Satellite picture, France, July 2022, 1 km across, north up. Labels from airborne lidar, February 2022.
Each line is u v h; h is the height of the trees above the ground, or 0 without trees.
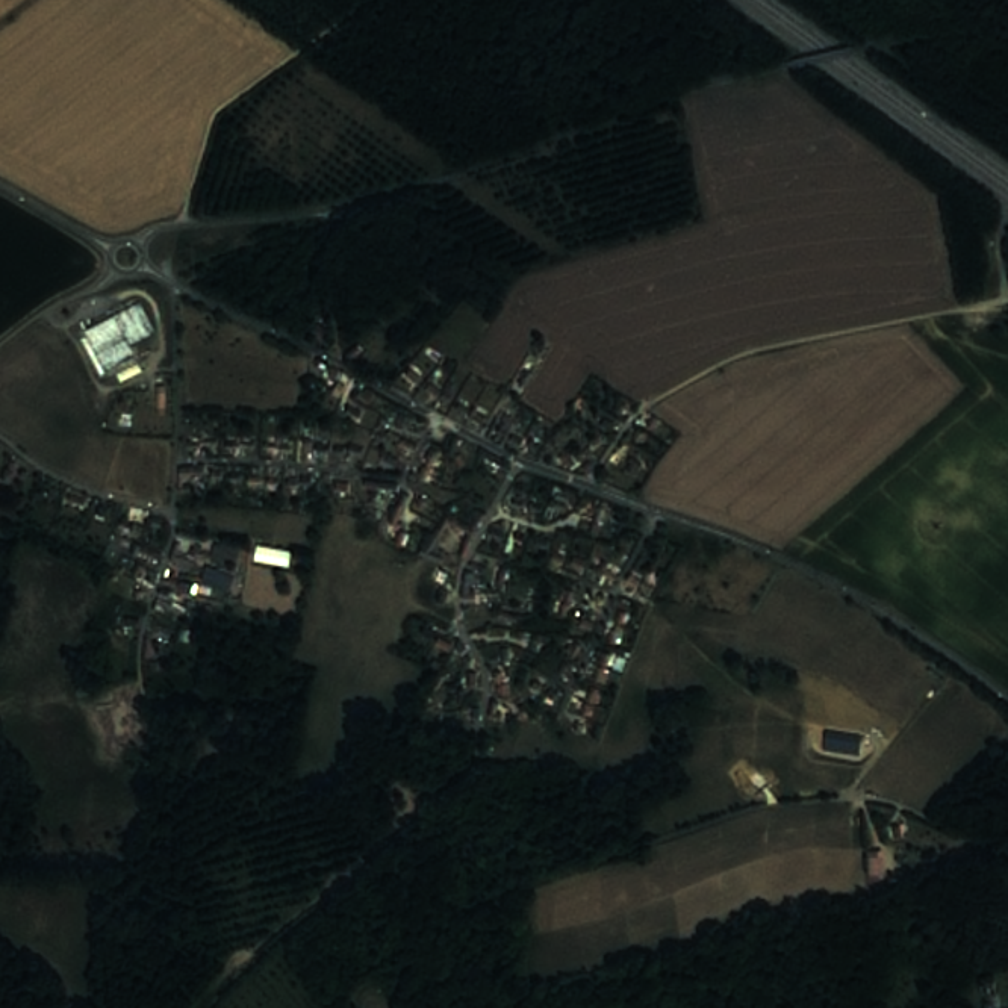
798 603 0
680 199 6
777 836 0
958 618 0
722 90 0
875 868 0
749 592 0
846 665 0
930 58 17
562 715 0
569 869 16
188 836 17
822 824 0
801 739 0
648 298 0
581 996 20
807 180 0
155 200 0
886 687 0
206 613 15
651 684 0
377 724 31
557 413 0
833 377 0
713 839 0
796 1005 21
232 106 0
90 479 0
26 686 0
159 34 0
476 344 0
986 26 21
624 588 0
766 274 0
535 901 13
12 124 0
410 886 19
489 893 11
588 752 0
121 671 0
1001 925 24
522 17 22
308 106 0
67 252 0
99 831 0
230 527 0
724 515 0
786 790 0
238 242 0
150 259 0
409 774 7
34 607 0
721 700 0
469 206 11
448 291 20
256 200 11
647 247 0
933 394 0
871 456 0
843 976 9
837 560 0
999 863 29
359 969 12
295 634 19
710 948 18
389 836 16
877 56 16
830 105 13
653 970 23
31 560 0
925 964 9
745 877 0
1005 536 0
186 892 18
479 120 15
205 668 19
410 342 12
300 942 18
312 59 12
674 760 10
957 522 0
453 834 19
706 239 0
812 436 0
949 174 11
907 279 0
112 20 0
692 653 0
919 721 0
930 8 24
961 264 11
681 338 0
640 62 26
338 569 0
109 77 0
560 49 25
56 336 0
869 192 0
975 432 0
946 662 14
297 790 11
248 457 0
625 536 8
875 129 11
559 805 22
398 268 25
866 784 0
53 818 0
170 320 0
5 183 0
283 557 0
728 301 0
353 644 0
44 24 0
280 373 0
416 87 13
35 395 0
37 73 0
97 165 0
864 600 0
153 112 0
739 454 0
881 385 0
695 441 0
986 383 0
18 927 0
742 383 0
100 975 11
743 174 0
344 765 16
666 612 0
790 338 0
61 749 0
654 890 0
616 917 0
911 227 0
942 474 0
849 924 13
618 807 19
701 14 12
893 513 0
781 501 0
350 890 21
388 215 24
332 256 22
